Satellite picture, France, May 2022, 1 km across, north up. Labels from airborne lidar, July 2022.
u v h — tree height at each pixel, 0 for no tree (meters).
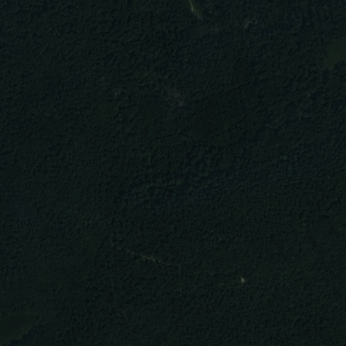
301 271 15
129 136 35
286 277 18
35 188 13
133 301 22
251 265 20
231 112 15
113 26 35
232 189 28
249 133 21
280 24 8
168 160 22
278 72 28
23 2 31
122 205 30
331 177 18
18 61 23
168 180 37
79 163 17
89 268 20
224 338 14
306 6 27
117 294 24
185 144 26
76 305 22
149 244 20
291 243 23
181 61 29
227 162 16
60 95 21
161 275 19
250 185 23
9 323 0
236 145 30
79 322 21
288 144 31
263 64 32
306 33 27
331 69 0
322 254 17
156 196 19
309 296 17
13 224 18
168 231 22
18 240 16
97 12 32
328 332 22
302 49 33
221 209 16
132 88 36
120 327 25
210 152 32
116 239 22
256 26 35
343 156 24
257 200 16
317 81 33
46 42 27
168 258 22
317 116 33
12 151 26
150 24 15
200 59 32
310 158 32
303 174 25
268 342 21
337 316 21
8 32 27
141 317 18
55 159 21
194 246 18
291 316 17
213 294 15
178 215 20
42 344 25
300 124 31
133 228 22
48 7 17
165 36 27
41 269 15
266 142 33
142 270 25
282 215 14
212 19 27
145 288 18
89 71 11
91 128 18
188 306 21
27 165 21
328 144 37
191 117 18
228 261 16
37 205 17
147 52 35
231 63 25
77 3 23
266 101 26
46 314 31
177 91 23
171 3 19
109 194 9
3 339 0
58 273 20
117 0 20
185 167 33
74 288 26
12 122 22
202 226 17
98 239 14
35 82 22
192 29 27
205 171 17
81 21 27
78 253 10
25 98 19
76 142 17
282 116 34
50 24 26
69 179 17
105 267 21
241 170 32
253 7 35
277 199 15
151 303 21
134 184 17
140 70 33
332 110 32
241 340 15
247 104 18
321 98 32
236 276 16
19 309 22
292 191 17
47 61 24
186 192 34
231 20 33
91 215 17
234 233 18
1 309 22
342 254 18
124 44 30
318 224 22
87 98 20
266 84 30
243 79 10
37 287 18
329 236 21
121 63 32
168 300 23
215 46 30
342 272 20
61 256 20
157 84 32
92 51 30
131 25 35
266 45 25
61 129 24
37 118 23
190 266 18
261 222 18
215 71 25
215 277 19
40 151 20
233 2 35
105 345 21
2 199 18
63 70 26
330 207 23
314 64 28
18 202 19
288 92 32
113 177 26
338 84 29
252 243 18
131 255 23
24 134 23
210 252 16
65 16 31
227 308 14
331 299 20
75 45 27
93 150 11
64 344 26
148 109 22
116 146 31
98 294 28
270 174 30
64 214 18
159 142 21
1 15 31
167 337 23
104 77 17
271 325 16
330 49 0
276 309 10
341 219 20
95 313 25
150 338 20
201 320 19
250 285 15
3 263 22
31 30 25
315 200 23
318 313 13
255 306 14
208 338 9
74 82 22
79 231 18
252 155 33
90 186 16
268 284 17
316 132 33
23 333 0
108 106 24
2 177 18
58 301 27
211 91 19
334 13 30
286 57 31
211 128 17
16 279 14
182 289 17
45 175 17
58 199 18
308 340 17
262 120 18
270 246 20
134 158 28
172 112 27
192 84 30
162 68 26
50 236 9
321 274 17
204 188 22
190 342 21
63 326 21
